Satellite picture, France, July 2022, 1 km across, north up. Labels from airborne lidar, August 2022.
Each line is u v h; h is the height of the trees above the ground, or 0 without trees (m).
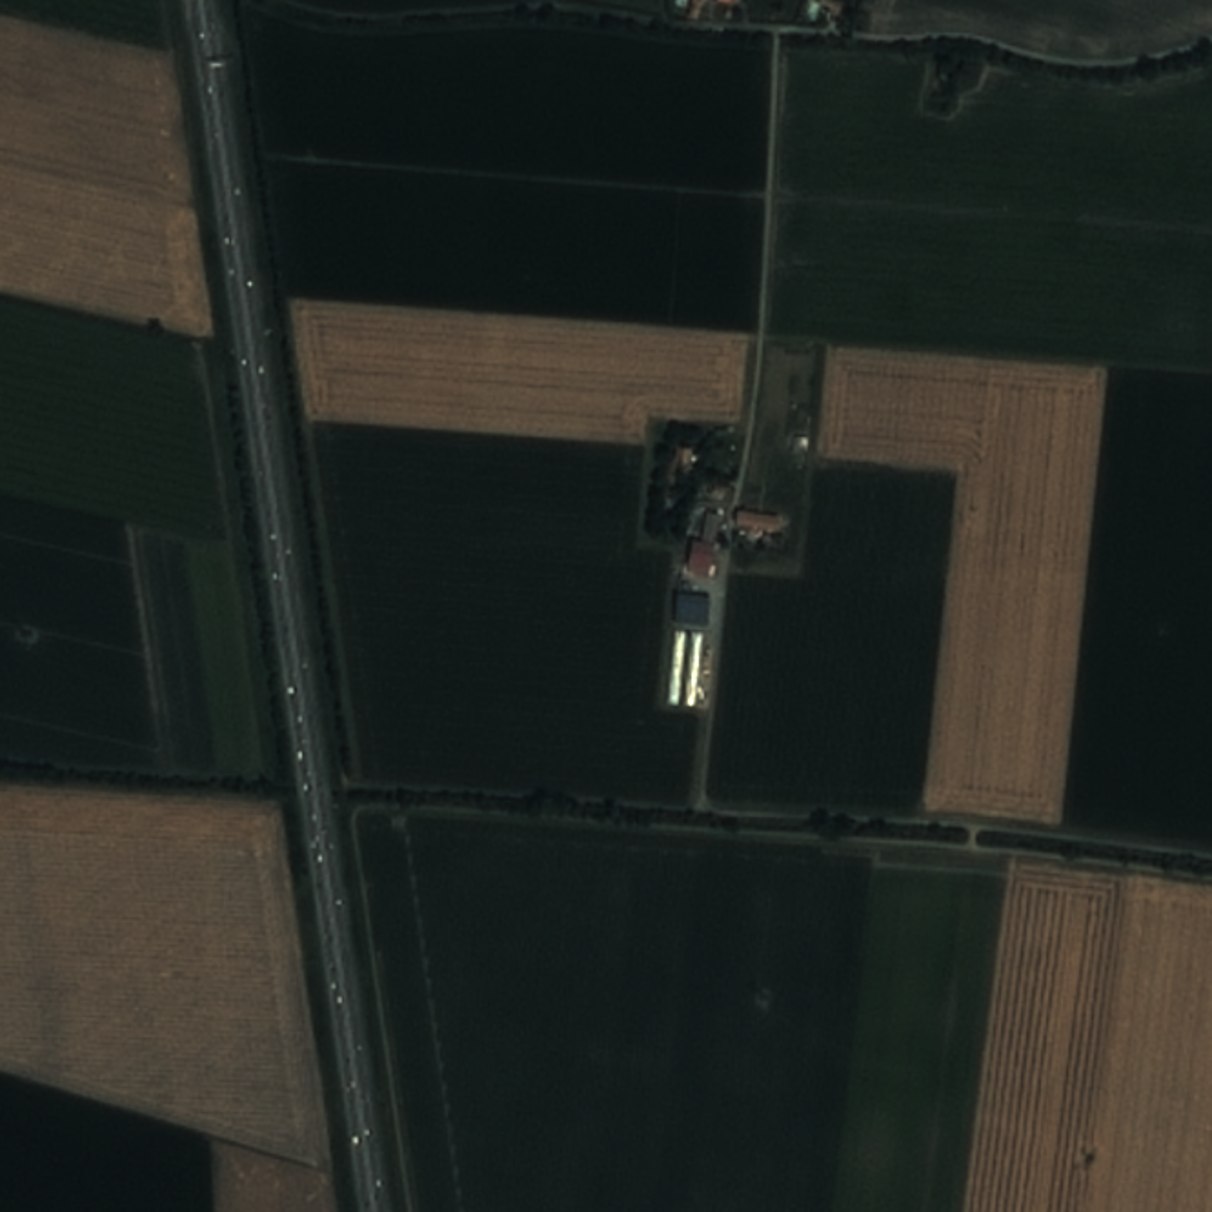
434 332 0
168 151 0
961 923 0
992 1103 0
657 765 0
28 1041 0
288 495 0
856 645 0
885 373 0
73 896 0
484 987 0
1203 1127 0
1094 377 0
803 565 0
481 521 0
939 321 0
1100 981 0
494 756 0
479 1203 0
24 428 0
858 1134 0
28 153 0
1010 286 0
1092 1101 0
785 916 0
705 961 0
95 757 0
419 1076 0
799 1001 0
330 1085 0
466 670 0
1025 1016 0
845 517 0
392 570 0
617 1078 0
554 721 0
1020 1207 0
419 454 0
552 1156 0
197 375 0
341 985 0
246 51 8
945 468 0
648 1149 0
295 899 0
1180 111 0
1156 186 0
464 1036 0
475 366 0
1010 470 0
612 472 0
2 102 0
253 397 0
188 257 0
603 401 0
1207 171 0
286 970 0
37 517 0
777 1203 0
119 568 0
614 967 0
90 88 0
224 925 0
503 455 0
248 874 0
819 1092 0
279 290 7
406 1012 0
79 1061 0
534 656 0
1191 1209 0
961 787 0
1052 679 0
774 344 0
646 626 0
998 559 0
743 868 0
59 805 0
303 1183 0
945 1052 0
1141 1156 0
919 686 0
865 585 0
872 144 0
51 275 0
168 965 0
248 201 0
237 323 0
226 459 0
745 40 9
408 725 0
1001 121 0
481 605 0
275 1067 0
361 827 0
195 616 0
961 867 0
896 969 0
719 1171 0
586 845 0
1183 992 0
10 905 0
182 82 0
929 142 0
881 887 0
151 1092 0
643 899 0
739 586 0
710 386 0
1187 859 9
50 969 0
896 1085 0
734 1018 0
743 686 0
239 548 0
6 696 0
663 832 0
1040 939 0
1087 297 0
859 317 0
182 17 0
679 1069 0
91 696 0
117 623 0
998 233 0
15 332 0
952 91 9
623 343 0
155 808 0
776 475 0
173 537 0
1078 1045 0
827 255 0
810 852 0
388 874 0
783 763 0
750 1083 0
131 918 0
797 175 0
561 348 0
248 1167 0
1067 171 0
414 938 0
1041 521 0
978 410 0
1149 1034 0
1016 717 0
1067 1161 0
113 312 0
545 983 0
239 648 0
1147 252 0
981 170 0
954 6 0
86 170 0
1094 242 0
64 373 0
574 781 0
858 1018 0
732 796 0
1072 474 0
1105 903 0
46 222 0
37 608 0
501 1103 0
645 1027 0
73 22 0
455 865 0
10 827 0
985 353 0
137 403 0
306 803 0
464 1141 0
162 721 0
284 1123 0
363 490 0
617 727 0
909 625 0
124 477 0
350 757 11
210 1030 0
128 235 0
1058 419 0
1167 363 0
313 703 0
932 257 0
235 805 0
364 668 0
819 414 0
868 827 8
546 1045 0
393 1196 0
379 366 0
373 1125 0
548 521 0
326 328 0
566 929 0
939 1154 0
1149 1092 0
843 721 0
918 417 0
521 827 0
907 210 0
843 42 6
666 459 12
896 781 0
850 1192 0
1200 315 0
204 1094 0
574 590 0
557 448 0
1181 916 0
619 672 0
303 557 0
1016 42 0
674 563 0
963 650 0
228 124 0
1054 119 0
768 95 0
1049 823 0
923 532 0
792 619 0
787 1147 0
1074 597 0
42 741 0
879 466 0
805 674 0
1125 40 0
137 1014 0
